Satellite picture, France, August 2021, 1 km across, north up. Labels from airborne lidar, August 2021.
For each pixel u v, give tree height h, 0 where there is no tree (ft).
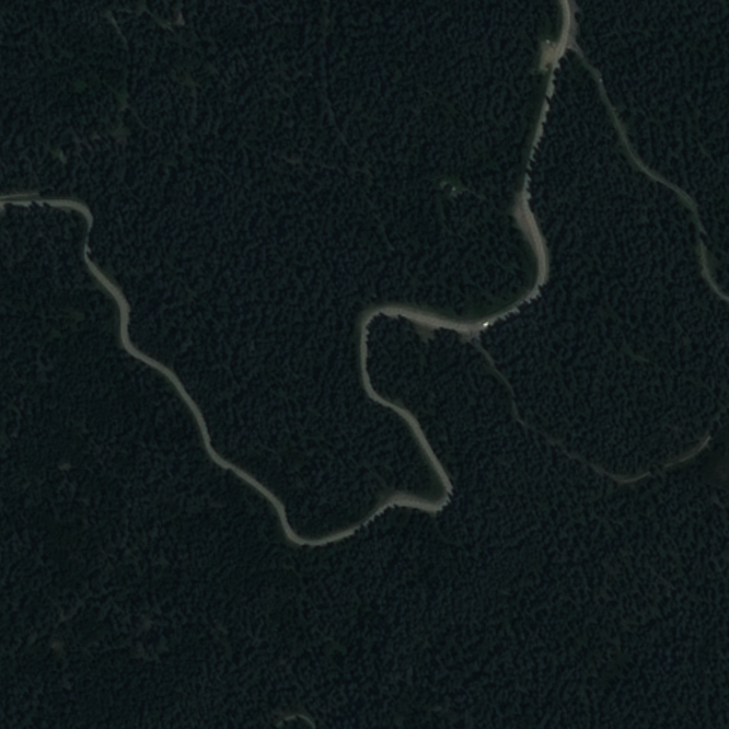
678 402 30
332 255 83
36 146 81
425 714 35
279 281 82
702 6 59
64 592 89
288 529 0
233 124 43
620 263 73
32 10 94
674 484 33
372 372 42
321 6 64
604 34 65
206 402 44
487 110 72
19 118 80
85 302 44
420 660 60
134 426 65
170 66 25
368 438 72
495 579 60
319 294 75
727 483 0
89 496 58
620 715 62
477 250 49
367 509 64
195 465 42
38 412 42
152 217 53
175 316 88
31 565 40
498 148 71
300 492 45
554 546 79
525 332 67
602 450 58
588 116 72
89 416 45
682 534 40
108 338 61
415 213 35
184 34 81
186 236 73
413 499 0
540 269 0
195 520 53
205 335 22
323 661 87
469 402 68
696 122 28
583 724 45
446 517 46
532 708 77
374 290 64
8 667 53
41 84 43
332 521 48
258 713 61
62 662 32
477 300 23
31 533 39
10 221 23
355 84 25
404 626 78
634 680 58
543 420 64
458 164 58
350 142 35
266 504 53
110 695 41
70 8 24
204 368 21
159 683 52
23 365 43
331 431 75
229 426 49
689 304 76
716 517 61
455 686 105
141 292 56
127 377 31
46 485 38
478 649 73
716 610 29
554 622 67
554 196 64
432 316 0
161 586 36
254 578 38
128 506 92
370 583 88
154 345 44
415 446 35
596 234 44
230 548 23
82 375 49
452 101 41
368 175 38
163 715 49
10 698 89
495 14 73
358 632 84
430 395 57
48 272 57
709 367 54
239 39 64
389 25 33
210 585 45
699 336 71
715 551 49
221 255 73
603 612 67
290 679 98
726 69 73
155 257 88
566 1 0
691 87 54
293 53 79
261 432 93
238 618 23
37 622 84
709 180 74
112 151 91
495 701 64
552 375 48
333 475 84
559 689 84
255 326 72
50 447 46
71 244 95
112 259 76
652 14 57
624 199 76
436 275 89
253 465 38
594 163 48
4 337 32
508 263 77
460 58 58
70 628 100
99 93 39
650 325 23
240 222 71
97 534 31
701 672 23
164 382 60
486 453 27
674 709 61
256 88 76
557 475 73
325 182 83
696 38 80
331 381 82
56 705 53
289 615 43
